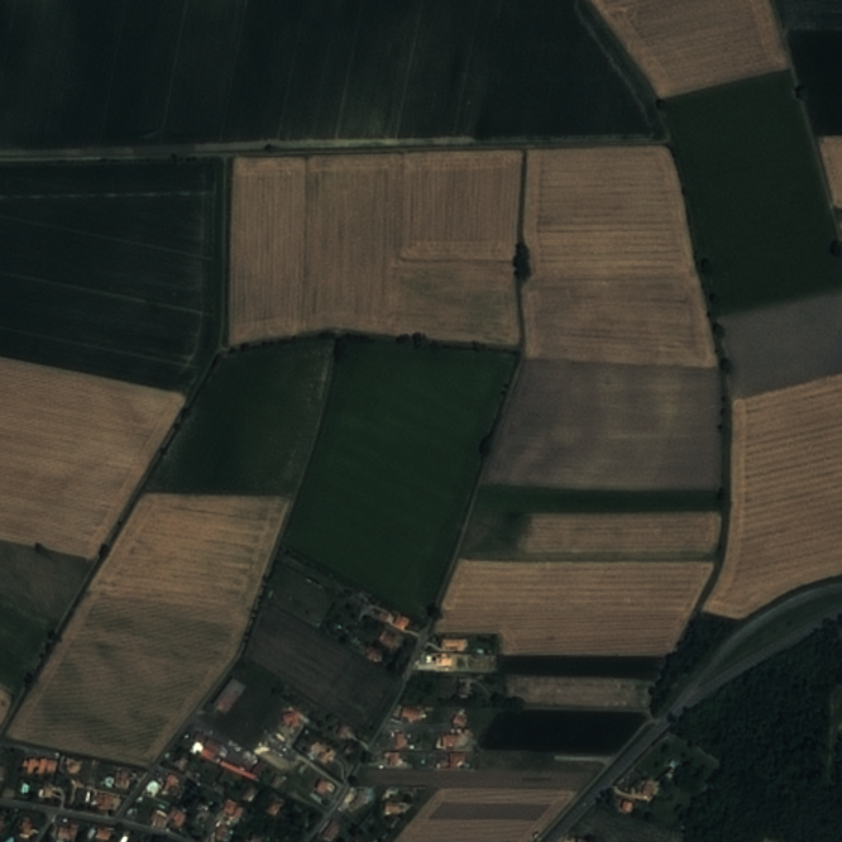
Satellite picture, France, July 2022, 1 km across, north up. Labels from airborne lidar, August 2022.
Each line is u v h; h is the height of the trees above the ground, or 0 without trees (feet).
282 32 0
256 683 0
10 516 0
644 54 0
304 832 23
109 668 0
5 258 0
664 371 0
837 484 0
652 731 0
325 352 0
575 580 0
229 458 0
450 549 0
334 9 0
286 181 0
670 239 0
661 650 0
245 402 0
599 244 0
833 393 0
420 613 0
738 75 0
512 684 0
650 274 0
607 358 0
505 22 0
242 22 0
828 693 23
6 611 0
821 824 36
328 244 0
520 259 36
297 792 0
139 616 0
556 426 0
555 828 0
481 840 0
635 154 0
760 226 0
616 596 0
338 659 0
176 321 0
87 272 0
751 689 40
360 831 42
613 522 0
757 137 0
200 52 0
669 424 0
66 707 0
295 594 0
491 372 0
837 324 0
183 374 0
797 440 0
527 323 0
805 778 46
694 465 0
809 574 0
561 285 0
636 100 0
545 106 0
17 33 0
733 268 0
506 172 0
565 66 0
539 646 0
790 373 0
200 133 0
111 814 28
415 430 0
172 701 0
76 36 0
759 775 33
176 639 0
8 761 0
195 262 0
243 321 0
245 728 0
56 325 0
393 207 0
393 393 0
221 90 0
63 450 0
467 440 0
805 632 0
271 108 0
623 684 0
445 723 0
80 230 0
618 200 0
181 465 0
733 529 0
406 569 0
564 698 0
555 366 0
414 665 0
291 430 0
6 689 0
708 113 0
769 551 0
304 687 0
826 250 0
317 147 0
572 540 0
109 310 0
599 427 0
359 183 0
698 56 0
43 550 29
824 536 0
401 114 0
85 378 0
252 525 0
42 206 0
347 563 0
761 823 29
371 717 0
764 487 0
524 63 0
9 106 0
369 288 0
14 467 0
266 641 0
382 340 0
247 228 0
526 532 0
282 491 0
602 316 0
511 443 0
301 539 0
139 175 0
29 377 0
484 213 0
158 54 0
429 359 0
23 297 0
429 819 0
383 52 0
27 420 0
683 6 0
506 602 0
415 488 0
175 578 0
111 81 0
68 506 0
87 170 0
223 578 0
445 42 0
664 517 0
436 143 0
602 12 0
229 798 19
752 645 0
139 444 0
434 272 0
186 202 0
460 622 0
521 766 0
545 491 0
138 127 0
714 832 40
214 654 0
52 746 0
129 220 0
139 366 0
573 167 0
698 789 46
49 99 0
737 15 0
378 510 0
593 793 0
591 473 0
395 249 0
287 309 0
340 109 0
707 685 0
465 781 0
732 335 0
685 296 0
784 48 0
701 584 0
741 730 59
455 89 0
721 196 0
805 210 0
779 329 0
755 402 0
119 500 0
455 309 0
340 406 0
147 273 0
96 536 0
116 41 0
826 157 0
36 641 0
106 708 0
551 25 0
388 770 0
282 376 0
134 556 0
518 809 0
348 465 0
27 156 0
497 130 0
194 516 0
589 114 0
